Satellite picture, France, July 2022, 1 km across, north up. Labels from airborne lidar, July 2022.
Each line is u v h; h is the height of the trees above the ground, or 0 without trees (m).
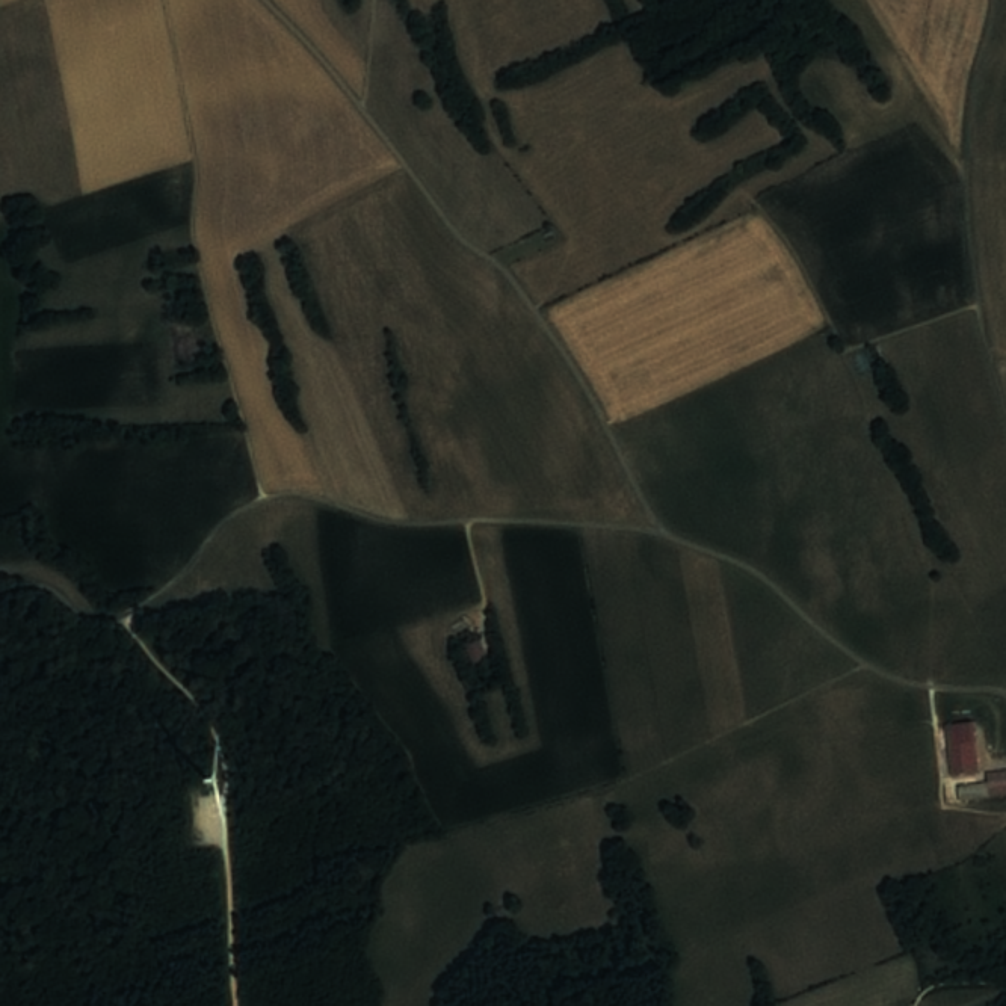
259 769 20
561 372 0
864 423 0
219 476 0
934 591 0
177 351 0
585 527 0
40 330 17
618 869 18
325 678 24
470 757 0
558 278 0
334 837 9
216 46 0
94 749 24
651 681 0
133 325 0
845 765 0
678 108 0
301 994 9
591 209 0
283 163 0
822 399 0
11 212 15
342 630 0
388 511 0
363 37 0
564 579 0
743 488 0
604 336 0
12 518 9
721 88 0
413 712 0
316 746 25
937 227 0
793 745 0
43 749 25
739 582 0
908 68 0
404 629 0
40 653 27
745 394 0
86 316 13
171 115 0
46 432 20
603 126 0
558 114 0
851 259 0
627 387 0
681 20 13
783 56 16
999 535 0
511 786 0
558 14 0
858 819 0
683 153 0
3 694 22
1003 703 0
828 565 0
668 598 0
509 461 0
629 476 0
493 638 15
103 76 0
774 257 0
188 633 25
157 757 21
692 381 0
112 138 0
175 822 16
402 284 0
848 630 0
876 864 0
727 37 10
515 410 0
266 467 0
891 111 0
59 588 0
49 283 17
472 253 0
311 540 0
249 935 8
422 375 0
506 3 0
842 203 0
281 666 24
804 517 0
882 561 0
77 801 22
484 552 0
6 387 0
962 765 0
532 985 26
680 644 0
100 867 24
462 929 0
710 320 0
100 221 0
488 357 0
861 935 0
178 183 0
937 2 0
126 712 26
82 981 10
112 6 0
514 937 12
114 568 0
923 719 0
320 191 0
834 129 13
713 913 0
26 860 22
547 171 0
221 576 0
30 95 0
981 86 0
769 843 0
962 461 0
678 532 0
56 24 0
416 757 0
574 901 0
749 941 0
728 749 0
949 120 0
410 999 0
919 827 0
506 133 6
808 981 0
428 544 0
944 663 0
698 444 0
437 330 0
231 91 0
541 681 0
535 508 0
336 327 0
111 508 0
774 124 13
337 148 0
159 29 0
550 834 0
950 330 0
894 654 0
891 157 0
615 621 0
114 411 0
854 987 0
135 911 22
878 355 6
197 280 12
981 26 0
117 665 25
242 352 0
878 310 0
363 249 0
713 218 0
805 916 0
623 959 26
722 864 0
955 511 0
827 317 0
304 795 22
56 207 0
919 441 0
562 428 0
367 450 0
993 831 0
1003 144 0
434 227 0
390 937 0
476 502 0
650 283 0
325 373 0
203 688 23
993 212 0
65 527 0
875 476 0
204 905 8
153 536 0
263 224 0
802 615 0
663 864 0
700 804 0
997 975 15
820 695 0
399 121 0
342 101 0
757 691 0
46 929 21
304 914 8
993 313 0
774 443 0
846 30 14
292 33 0
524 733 8
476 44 0
